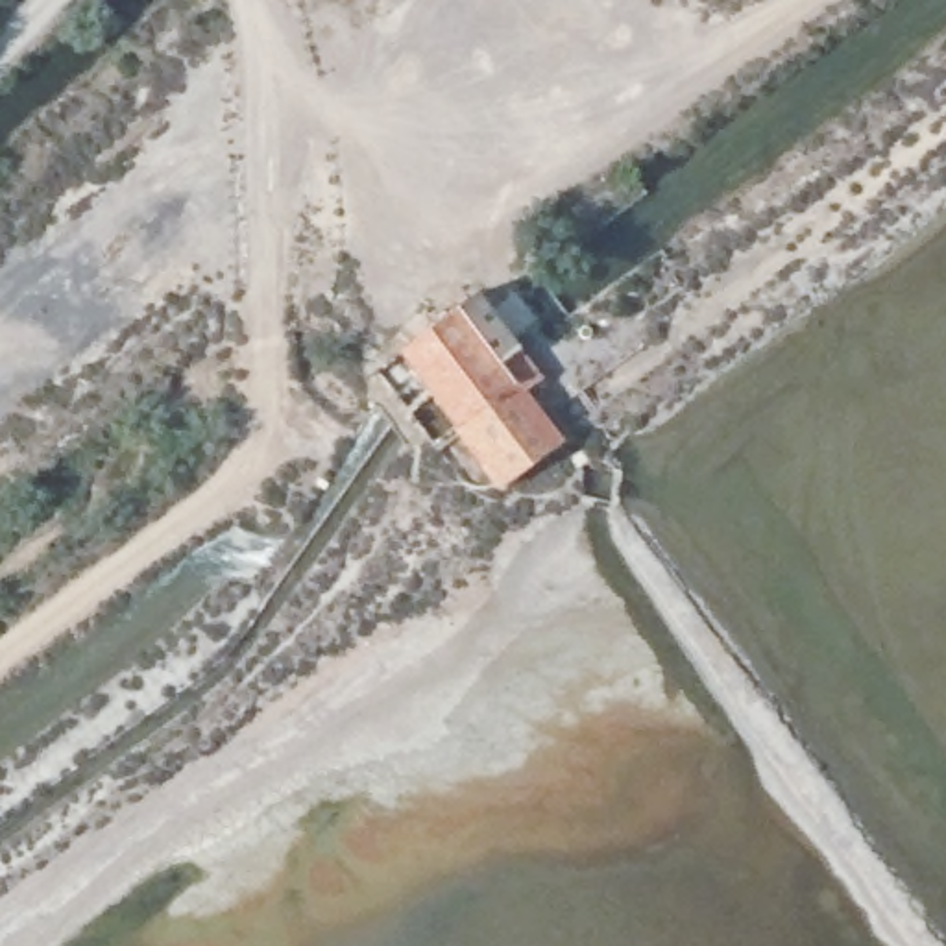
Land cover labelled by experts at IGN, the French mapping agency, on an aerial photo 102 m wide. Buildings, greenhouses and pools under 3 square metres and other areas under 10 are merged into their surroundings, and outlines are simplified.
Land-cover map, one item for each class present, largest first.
<instances>
[{"label":"pervious surface","instance_id":"1","mask_svg":"<svg viewBox=\"0 0 946 946\"><path fill-rule=\"evenodd\" d=\"M70 0H0V89L7 92L18 85L15 67L48 37L52 22L63 15ZM831 0H229V18L237 30L233 41H218L207 48V59L185 74V92H174L166 111L133 118L122 137L96 152V159L81 174L85 185H74L55 200V222L44 229L41 240L15 244L0 255V406L15 418L52 421L55 414L48 406H37L30 392H37L41 384H63L70 381V373H81L89 362H100L111 340L122 333V325L140 318L144 307L163 303L166 292L196 288L244 318L248 344L233 358L248 370L240 395L251 410L248 440L233 447L229 458L192 495L170 506L159 521H148L126 547L100 558L55 599L11 621L0 636V665L18 669L30 654L44 650L67 628L92 617L100 602L122 591L152 562L181 547L188 536L203 532L218 517L248 510L262 484L285 462L333 458L340 425L329 421L318 406H310L299 392V381L292 377L285 307L318 296L340 307L347 292L333 288L336 255L351 251L358 259L362 292L377 310L362 362L370 384L366 421H395V447L399 455H410V473L403 480H388V510L377 525H362V536L373 540L370 551L362 558H347L344 573L333 588L321 591V599L336 602L347 591H355L362 573L377 565L384 554L399 558L403 565L395 580L366 610H392V602L406 591L410 576L425 562H440V610L406 617L399 625H381L347 654L321 658L310 676L281 684V695L273 702H262L259 717L214 758L188 761L144 802L118 809L103 831L81 835L44 872L0 894V946H63L107 905L122 902L137 883L185 861L203 868V879L185 887L166 905L170 916H211L262 891L281 872L288 846L299 835V817L325 798L370 794L373 802L395 809L399 794H447L462 780L503 776L521 769L532 750L554 746L565 724L573 728L588 721L610 702H639L647 710H658L665 698L661 665L647 639L636 632L632 617L625 613V602L599 576L584 540L591 495H584V466H573L562 477V484L536 491V517L525 528L503 536L495 558H473V540L458 525V514L443 517V525H432V503L418 491L421 451L429 432L421 429L418 414L406 403H399V395L381 377V366L388 358L403 355L399 329L410 318L425 314L429 325H436L447 318V303H466V296L484 292L517 277L514 225L543 203L573 185H584L591 174L606 170L625 155H650L647 144L661 133L676 137H687L695 122L691 107L702 96L717 92L724 78L743 70L750 59L776 52ZM939 107L916 96L905 100V107L924 118L916 122L913 144H898L879 174H846L813 207L765 229L758 244H750L746 251H735L728 273L706 277L702 288L676 307L669 336L661 344H650L643 336V314L625 318L617 333L602 340L580 329L573 333L554 344L562 388L573 395L591 384L599 358L613 373L606 381V392L636 384L647 370L673 358L691 336L717 325L728 307L743 303L783 262L802 259V270L791 281L806 296L813 285V266L824 262L828 285L835 292L843 288V270L861 255H887V240L876 237L846 251L839 244H824V233L839 225L835 214H828L831 203H843L850 214H865L883 185H891L902 170L916 166L931 148L946 140V78L935 89ZM861 148V133L835 122L809 129L761 181L724 192L710 214L684 222L669 237V244L687 248V259L698 266L706 262V240L713 233L743 229L758 211L787 203L835 163L850 159ZM939 207H946V185L935 192L913 188L905 196V214L894 222L898 233H909L916 211H928L935 218ZM610 495L606 528L613 547L658 606V613L665 617L684 654L695 661L713 698L724 706L743 743L750 746L761 787L820 850V857L850 891L872 935L883 946H942L924 924L920 902L905 894L891 868L872 854L861 828L850 820L846 806L831 791V783L817 772L806 750L791 739V732L776 721L772 706L746 684V676L754 673V658L735 643L728 625L706 606L702 595L680 591L669 569L632 532L621 510V462L602 458ZM200 643L192 654L177 639V650L166 658L155 669L126 665L103 687L107 706L96 717H85L78 728H70L30 769H18L0 780V806H22L41 783H52L67 769H74V758L81 750L100 746L122 724H129L126 702H137L144 713H152L163 706L166 687H188V676L211 661V654H218L214 639L196 632Z\"/></svg>","mask_w":946,"mask_h":946},{"label":"water","instance_id":"2","mask_svg":"<svg viewBox=\"0 0 946 946\"><path fill-rule=\"evenodd\" d=\"M111 11L103 15V41L96 48L74 52L48 37L15 67L18 85L7 92L0 89V137L26 115H33L41 103H48L55 92H63L78 74L103 63L122 37L133 33L140 11L152 0H103ZM850 30L831 33L828 44H813L809 52L772 67L769 85L761 92L739 100L735 107H713L706 118L695 122L687 137H676V144L665 152L676 163V170L665 174L661 185L643 188V196L628 207L595 203L573 229L580 251L591 259L588 273L569 277L562 292L551 296L517 277L484 292L488 307L495 310L499 303L517 296L528 303L536 321L514 336L521 344L514 358L536 362L543 377L532 399L543 406V414L558 425L562 436L580 443V451L588 455L584 466V495H591L584 540L599 576L625 602V613L632 617L636 632L647 639L661 665L665 698L658 710H647L639 702H610L588 721L573 728L565 724L554 746L532 750L521 769L503 776L462 780L447 794H399L395 809L373 802L370 794L325 798L299 817V835L288 846L281 872L262 891L211 916H170L166 905L185 887L203 879V868L185 861L137 883L122 902L107 905L63 946H883L872 935L850 891L820 857V850L761 787L750 746L743 743L724 706L713 698L695 661L684 654L665 617L658 613V606L613 547L606 528L610 495L602 458L621 462V510L632 532L669 569L680 591L702 595L706 606L728 625L735 643L754 658V673L746 676V684L772 706L776 721L791 732V739L806 750L817 772L831 783V791L846 806L850 820L861 828L872 854L891 868L905 894L920 902L924 924L942 946H946V218L931 225L909 251L891 259L872 281L843 288L835 292V299L820 303L802 321V329L780 336L754 362L717 381L706 395H698L684 414L665 421L654 436H636L625 447H610L606 432L591 429L584 406L573 395L562 388L554 344L573 333L576 303L595 296L606 281L621 277L647 251L669 244V237L684 222L710 214L724 192L761 181L809 129L835 122L846 103H857L879 81L898 74L935 33L946 30V0H891L868 18H846ZM281 551L277 536H251L244 528L218 536L214 543L200 547V554H188L181 547L152 562L122 591L100 602L92 617L67 628L44 650L30 654L18 669L0 665V758L11 746H18L30 732H37L48 717L70 710L85 691L103 687L126 665L155 669L166 658L159 654L155 636L170 628L174 617H181L207 591L211 576L225 569V562L237 565L233 573H225V580H248Z\"/></svg>","mask_w":946,"mask_h":946},{"label":"herbaceous vegetation","instance_id":"3","mask_svg":"<svg viewBox=\"0 0 946 946\"><path fill-rule=\"evenodd\" d=\"M111 11L103 0H70L63 15L52 22L48 37L74 52L96 48L103 41V15ZM237 30L229 18V0H152L140 11L133 33L122 37L103 63L78 74L63 92H55L48 103H41L33 115H26L0 137V255L15 244L41 240L44 229L55 222V200L74 185H85L81 174L96 159V152L122 137L133 118L166 111L174 92H185V74L207 59V48L218 41H233ZM676 144V137L661 133L647 144L650 155H625L606 170L591 174L584 185H573L543 203L554 211V218H562L573 229L595 203L628 207L643 196V188L661 185L665 174L676 170V163L665 152ZM333 288L347 292L340 307L318 296L285 307L292 377L299 381V392L310 406H318L329 421L340 425L333 458L285 462L262 484L248 510L218 517L203 532L188 536L181 547L188 554H200V547L214 543L218 536L244 528L251 536H277L281 551L248 580H225V573H233L237 565L225 562V569L211 576L207 591L181 617H174L170 628L155 636L159 654L166 658L177 650V639L192 654L200 643L196 632L214 639L218 654H211V661L188 676V687H166L163 706L152 713H144L137 702H126L129 724H122L100 746L81 750L74 758V769H67L52 783H41L22 806H0V894L44 872L81 835L103 831L118 809L144 802L188 761L214 758L259 717L262 702H273L281 695V684L310 676L321 658L347 654L381 625H399L406 617L440 610V562H425L410 576L406 591L392 602V610H366L395 580L403 565L399 558L384 554L377 565L362 573L355 591H347L336 602L321 599V591L333 588L344 573L347 558H362L370 551L373 540L362 536V525H377L388 510V480H403L410 473V455H399L395 447V421H366L370 384L362 362L377 310L362 292L358 259L351 251L336 255ZM248 344L244 318L196 288L166 292L163 303L144 307L140 318L122 325V333L111 340L100 362H89L81 373H70V381L63 384H41L37 392H30L37 406H48L55 414L52 421L15 418L0 406V636L11 621L55 599L100 558L126 547L148 521H159L170 506L192 495L229 458L233 447L248 440L251 410L240 395L248 370L233 358ZM406 366L403 355L388 358L381 366V377L399 395V403H406L418 414L421 429L429 432L421 451L418 491L432 503V525H443V517L458 514V525L473 540V558H495L503 536L525 528L536 517V491L562 484V477L573 466H584L588 455L580 451V443L562 436V443L551 455L532 462L510 484L495 488L488 473L469 469L473 455L455 436L451 421L436 410V403L410 381L395 377V370ZM107 706L103 687L85 691L70 710L48 717L37 732H30L18 746H11L0 758V780L18 769H30L70 728H78L85 717H96Z\"/></svg>","mask_w":946,"mask_h":946},{"label":"brushwood","instance_id":"4","mask_svg":"<svg viewBox=\"0 0 946 946\"><path fill-rule=\"evenodd\" d=\"M891 0H831L776 52L750 59L743 70L724 78L717 92L702 96L691 107L695 122L706 118L713 107H735L739 100L761 92L769 85L772 67L809 52L813 44H828L831 33L850 30L846 18H868ZM946 78V30L935 33L898 74L879 81L857 103H846L835 122L861 133V148L850 159L835 163L787 203L758 211L743 229L713 233L706 240V262L698 266L687 259V248L669 244L647 251L621 277L606 281L595 296L576 303L573 333L580 329L602 340L617 333L625 318L643 314V336L650 344H661L669 336L676 307L702 288L706 277L728 273L735 251H746L750 244H758L765 229L813 207L846 174H879L898 144H913L916 122L924 118L905 107V100L916 96L939 107L935 89ZM946 185V140L931 148L916 166L902 170L891 185H883L865 214H850L843 203H831L828 214H835L839 225L824 233V244H839L846 251L876 237L887 240V255H861L843 270V288L872 281L891 259L909 251L931 225L946 218V207H939L935 218L928 211H916L909 233H898L894 222L905 214V196L913 188L935 192ZM802 270V259L783 262L743 303L728 307L717 325L691 336L673 358L647 370L636 384L606 392V381L613 373L599 358L591 384L573 395L584 406L591 429L606 432L610 447H625L636 436H654L665 421L684 414L698 395H706L717 381L754 362L780 336L802 329V321L820 303L835 299V292L828 285L824 262L813 266V285L806 296L791 281Z\"/></svg>","mask_w":946,"mask_h":946},{"label":"building","instance_id":"5","mask_svg":"<svg viewBox=\"0 0 946 946\"><path fill-rule=\"evenodd\" d=\"M403 355L406 366L395 370V377L410 381L436 403V410L451 421L455 436L473 455L469 469L488 473L495 488L510 484L532 462L551 455L562 443V436L558 425L543 414V406L532 399L543 377L536 362L514 358L521 344L514 336L495 318V310L488 307L484 292L466 296V303H447V318L436 325H429L425 314L410 318L399 329Z\"/></svg>","mask_w":946,"mask_h":946},{"label":"deciduous trees","instance_id":"6","mask_svg":"<svg viewBox=\"0 0 946 946\"><path fill-rule=\"evenodd\" d=\"M517 277L551 296L562 292L569 277L588 273L591 259L580 251L573 229L562 218H554V211L543 203L514 225Z\"/></svg>","mask_w":946,"mask_h":946},{"label":"impervious surface","instance_id":"7","mask_svg":"<svg viewBox=\"0 0 946 946\"><path fill-rule=\"evenodd\" d=\"M495 318L514 336L536 321L528 303L517 296L499 303L495 310Z\"/></svg>","mask_w":946,"mask_h":946}]
</instances>
